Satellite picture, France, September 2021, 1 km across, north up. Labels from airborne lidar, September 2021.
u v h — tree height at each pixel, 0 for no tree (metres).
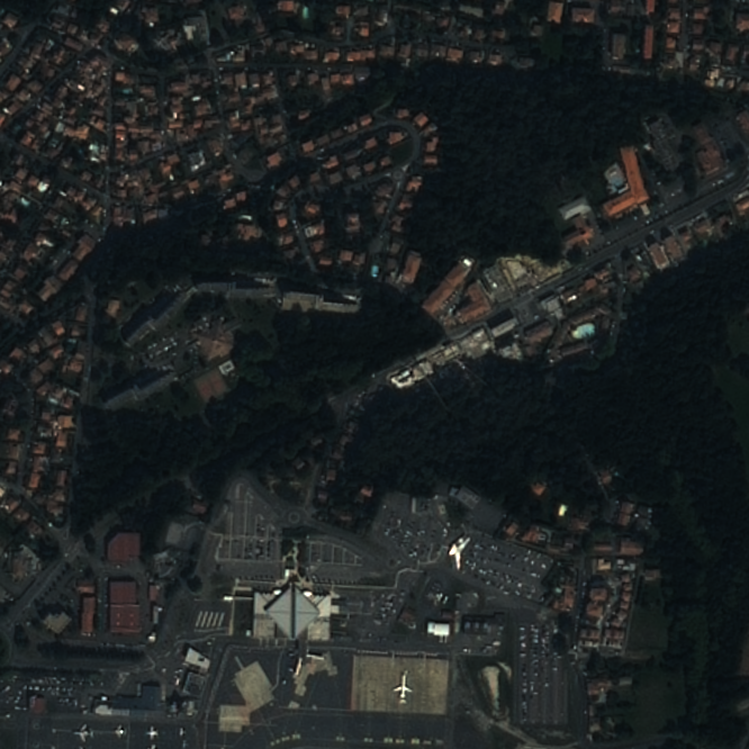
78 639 0
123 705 0
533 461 20
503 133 28
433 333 18
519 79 16
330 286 24
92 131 8
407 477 23
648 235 0
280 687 0
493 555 0
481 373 11
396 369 0
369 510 16
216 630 0
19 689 0
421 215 19
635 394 19
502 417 23
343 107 12
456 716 0
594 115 27
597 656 11
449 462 22
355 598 0
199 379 0
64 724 0
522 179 23
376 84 23
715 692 17
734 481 22
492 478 23
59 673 7
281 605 0
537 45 11
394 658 0
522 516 8
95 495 18
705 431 20
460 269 0
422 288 7
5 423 6
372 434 24
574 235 0
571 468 21
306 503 0
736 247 15
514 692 0
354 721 0
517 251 19
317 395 27
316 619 0
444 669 0
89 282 20
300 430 21
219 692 0
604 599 6
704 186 0
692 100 21
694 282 20
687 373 21
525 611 0
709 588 26
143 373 0
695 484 17
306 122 11
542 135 28
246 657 0
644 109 19
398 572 0
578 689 0
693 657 23
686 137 7
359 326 27
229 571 0
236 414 32
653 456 24
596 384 20
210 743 0
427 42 7
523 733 0
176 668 0
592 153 6
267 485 10
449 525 0
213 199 11
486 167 26
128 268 22
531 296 0
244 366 30
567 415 27
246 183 7
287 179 8
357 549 0
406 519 0
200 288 0
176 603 0
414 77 18
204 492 17
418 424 21
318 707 0
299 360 22
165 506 16
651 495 25
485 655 0
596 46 10
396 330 27
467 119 26
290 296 0
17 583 0
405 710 0
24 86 8
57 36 7
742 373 15
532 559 0
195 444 28
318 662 0
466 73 16
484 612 0
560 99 15
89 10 8
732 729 18
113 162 7
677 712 0
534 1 26
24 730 0
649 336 27
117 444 18
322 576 0
